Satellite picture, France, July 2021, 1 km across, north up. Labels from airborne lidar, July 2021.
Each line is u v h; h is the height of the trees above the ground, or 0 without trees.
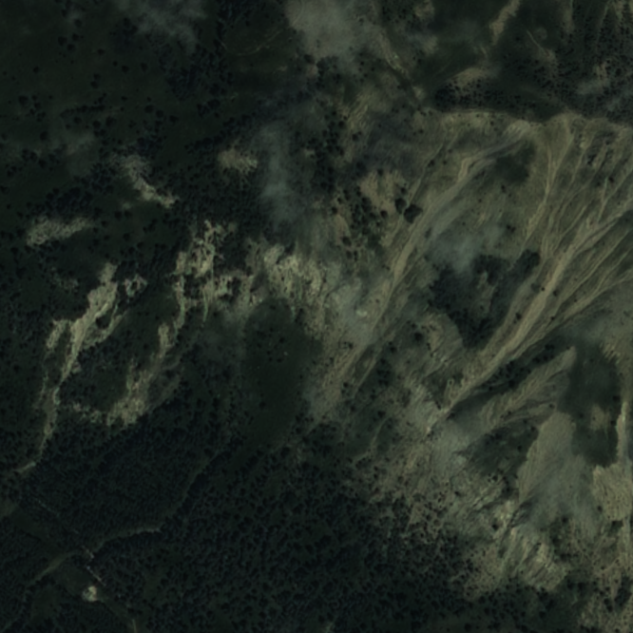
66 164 0
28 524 0
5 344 14
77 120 11
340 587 24
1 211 0
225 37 21
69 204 19
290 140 13
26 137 0
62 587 15
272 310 12
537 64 8
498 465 0
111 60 0
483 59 0
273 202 13
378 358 0
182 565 15
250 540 12
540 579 0
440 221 0
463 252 16
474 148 0
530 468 0
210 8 0
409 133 0
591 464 0
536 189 0
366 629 18
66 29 0
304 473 10
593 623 0
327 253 0
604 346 0
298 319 8
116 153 10
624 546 0
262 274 0
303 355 0
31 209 11
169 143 0
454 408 0
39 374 7
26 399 7
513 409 0
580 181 0
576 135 0
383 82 0
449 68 0
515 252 0
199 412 11
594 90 6
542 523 0
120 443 8
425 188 0
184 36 21
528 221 0
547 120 0
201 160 9
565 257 0
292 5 0
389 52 0
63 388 7
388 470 0
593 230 0
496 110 0
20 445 13
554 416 0
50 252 13
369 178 0
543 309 0
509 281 13
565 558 6
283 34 0
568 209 0
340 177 0
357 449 0
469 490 0
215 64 19
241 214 13
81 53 0
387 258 0
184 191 12
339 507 24
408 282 0
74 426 9
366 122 0
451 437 0
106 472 31
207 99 0
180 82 21
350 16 0
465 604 16
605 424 0
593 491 0
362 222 9
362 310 0
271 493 0
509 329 0
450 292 13
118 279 7
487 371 0
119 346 13
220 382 26
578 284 0
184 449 27
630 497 0
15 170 15
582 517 0
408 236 0
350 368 0
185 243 15
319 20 0
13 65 0
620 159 0
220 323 0
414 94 0
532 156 0
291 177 12
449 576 13
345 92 0
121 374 10
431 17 0
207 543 18
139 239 0
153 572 20
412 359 0
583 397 0
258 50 0
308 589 14
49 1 0
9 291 15
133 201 0
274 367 0
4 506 0
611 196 0
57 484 30
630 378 0
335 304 0
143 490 30
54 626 23
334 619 24
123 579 16
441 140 0
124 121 0
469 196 0
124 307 11
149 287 13
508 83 0
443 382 0
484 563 0
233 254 8
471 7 0
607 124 0
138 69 0
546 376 0
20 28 0
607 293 0
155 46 19
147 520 26
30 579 14
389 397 0
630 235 0
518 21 0
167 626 25
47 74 0
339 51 0
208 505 11
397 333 0
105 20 0
